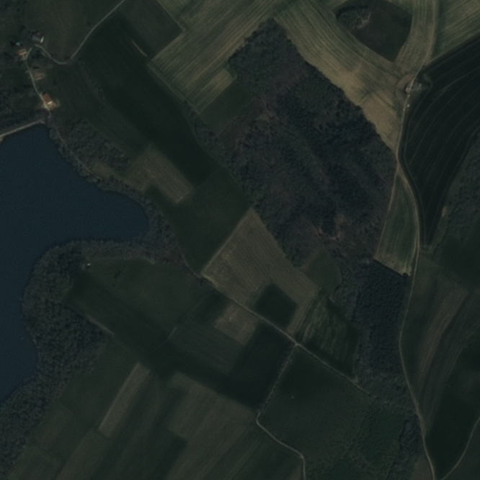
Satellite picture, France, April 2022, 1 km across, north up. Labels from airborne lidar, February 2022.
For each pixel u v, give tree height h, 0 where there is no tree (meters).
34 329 21
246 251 0
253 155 25
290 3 0
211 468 0
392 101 0
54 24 0
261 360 0
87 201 0
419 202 0
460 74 0
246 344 0
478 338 0
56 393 16
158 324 0
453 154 0
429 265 0
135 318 0
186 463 0
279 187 25
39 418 19
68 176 0
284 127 21
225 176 0
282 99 23
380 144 12
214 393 0
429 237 0
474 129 0
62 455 0
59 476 0
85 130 10
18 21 0
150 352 0
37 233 0
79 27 0
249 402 0
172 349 0
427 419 0
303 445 0
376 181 26
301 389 0
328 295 0
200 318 0
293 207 23
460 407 0
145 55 0
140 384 0
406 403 8
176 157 0
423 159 0
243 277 0
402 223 0
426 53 0
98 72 0
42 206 0
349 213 25
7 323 0
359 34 0
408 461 16
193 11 0
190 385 0
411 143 0
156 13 0
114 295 0
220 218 0
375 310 26
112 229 0
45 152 0
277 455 0
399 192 0
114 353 0
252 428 0
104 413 0
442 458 0
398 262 0
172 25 0
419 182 0
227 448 0
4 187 0
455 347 0
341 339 0
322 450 0
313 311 0
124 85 0
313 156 18
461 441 0
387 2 0
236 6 0
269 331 0
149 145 0
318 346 0
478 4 0
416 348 0
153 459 0
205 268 0
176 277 0
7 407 21
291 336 0
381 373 17
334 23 0
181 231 0
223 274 0
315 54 0
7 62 24
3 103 18
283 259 0
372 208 23
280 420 0
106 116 0
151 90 0
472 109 0
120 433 0
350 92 0
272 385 0
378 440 5
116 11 0
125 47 0
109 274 0
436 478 0
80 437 0
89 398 0
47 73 0
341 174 22
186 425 0
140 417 0
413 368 0
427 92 0
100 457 0
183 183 0
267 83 23
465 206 18
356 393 0
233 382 0
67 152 18
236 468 0
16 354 0
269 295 0
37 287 21
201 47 0
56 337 22
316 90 21
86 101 0
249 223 0
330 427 0
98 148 9
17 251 0
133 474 0
